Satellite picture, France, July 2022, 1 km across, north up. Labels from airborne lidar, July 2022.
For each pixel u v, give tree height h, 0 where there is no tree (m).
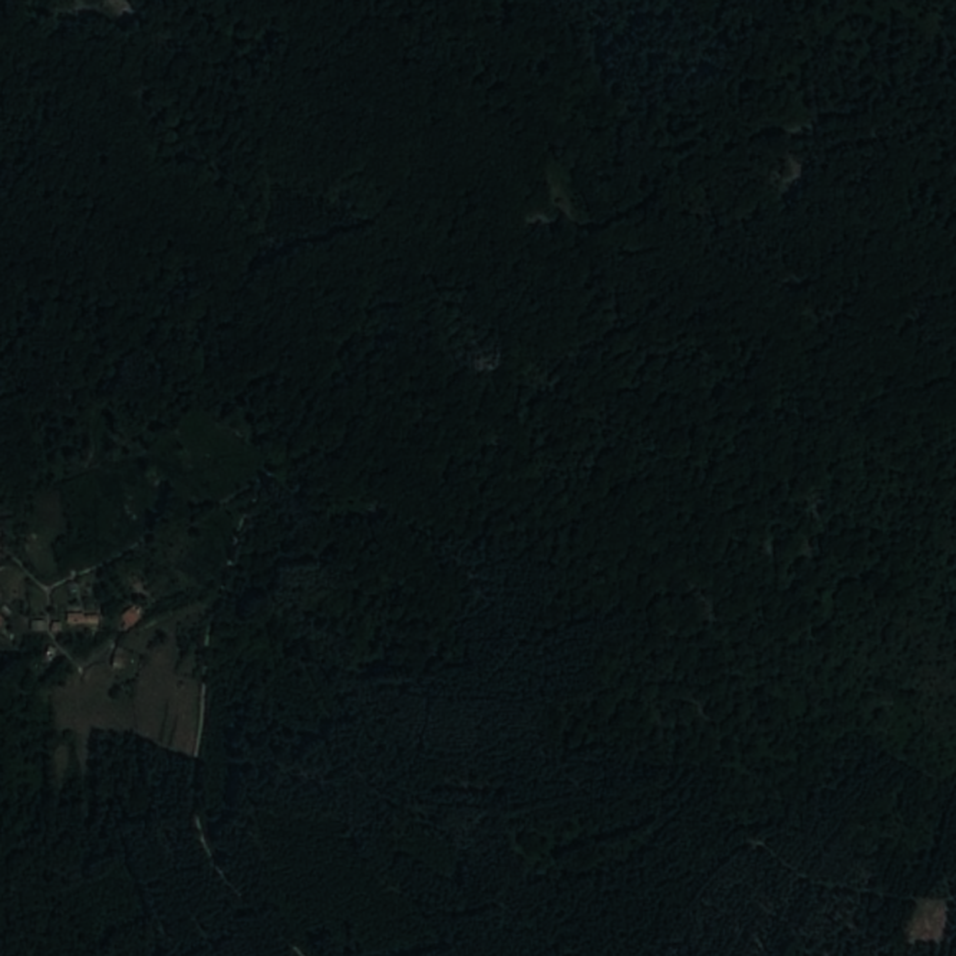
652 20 37
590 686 20
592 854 17
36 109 26
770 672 9
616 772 20
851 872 20
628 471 13
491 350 6
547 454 8
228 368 26
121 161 31
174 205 27
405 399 24
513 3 19
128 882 6
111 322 22
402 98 28
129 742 13
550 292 23
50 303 31
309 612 13
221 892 23
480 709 27
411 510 22
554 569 20
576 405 15
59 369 29
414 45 18
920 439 6
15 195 31
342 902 8
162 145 27
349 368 14
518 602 18
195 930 22
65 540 8
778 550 13
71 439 6
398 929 7
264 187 25
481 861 22
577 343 15
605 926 17
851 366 15
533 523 16
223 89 27
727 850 15
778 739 13
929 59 18
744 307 23
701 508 17
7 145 26
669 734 11
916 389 16
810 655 6
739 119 24
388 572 17
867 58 7
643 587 12
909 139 23
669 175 26
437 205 22
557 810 14
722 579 16
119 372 26
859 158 16
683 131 27
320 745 23
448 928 27
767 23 24
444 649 17
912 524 10
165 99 28
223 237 24
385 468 17
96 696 0
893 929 15
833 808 18
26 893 16
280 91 30
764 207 20
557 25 26
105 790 15
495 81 14
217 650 9
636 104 25
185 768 22
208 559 0
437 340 19
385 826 19
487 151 28
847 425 15
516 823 14
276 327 30
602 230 20
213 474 0
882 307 18
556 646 20
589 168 20
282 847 6
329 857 8
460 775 18
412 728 26
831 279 21
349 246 21
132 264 25
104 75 30
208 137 31
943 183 16
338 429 15
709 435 12
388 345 15
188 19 28
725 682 8
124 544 0
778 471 16
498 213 27
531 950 25
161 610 6
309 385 20
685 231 20
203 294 24
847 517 13
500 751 24
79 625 0
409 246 25
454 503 19
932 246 19
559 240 20
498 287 20
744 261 24
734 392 15
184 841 23
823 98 11
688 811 12
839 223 24
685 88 36
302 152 29
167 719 0
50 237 28
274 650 6
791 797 10
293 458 10
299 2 26
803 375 17
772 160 19
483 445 7
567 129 22
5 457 24
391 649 22
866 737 7
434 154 25
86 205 23
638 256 21
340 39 28
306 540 21
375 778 22
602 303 18
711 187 22
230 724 8
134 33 26
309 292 25
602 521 20
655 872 19
